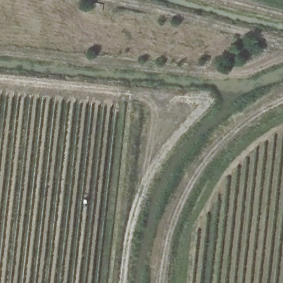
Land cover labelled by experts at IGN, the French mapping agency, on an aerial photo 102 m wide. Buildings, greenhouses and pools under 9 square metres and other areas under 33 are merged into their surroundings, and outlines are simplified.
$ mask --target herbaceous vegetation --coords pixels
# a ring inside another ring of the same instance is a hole
[[[248,77],[283,62],[283,0],[102,0],[105,2],[104,9],[97,10],[97,0],[0,0],[0,82],[114,96],[120,95],[119,86],[31,77],[35,71],[42,69],[88,75],[107,73],[127,78],[145,78],[149,72],[158,73],[161,80],[188,84],[203,84],[207,78],[211,81],[222,81],[230,78],[233,82],[238,82],[239,78]],[[241,34],[245,33],[263,49],[260,55],[251,57],[248,51],[244,50]]]
[[[120,220],[124,220],[124,223],[118,229],[114,264],[114,268],[120,271],[125,231],[136,188],[161,147],[198,107],[196,103],[172,103],[170,99],[175,96],[163,90],[143,90],[138,87],[130,91],[133,109],[130,112],[120,209]]]

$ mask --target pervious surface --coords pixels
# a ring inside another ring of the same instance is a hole
[[[242,112],[232,113],[211,130],[209,143],[185,169],[185,175],[174,193],[176,198],[170,199],[159,222],[153,256],[150,259],[150,283],[167,283],[172,235],[190,192],[203,170],[221,149],[227,149],[229,141],[240,130],[258,125],[264,113],[283,104],[283,82],[270,87],[269,93],[243,108]]]
[[[161,147],[136,188],[125,231],[120,271],[119,283],[133,283],[135,262],[129,260],[129,255],[140,210],[151,180],[157,171],[161,170],[161,165],[166,159],[180,136],[187,132],[193,123],[198,122],[213,104],[214,99],[209,92],[200,91],[175,96],[170,99],[172,103],[196,103],[198,107]]]

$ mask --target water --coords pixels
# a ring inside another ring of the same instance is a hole
[[[159,197],[182,157],[201,136],[205,136],[211,130],[232,113],[233,103],[239,98],[270,87],[283,82],[283,71],[252,83],[238,82],[233,82],[230,78],[222,81],[211,81],[207,78],[203,84],[188,84],[161,80],[158,73],[149,72],[145,78],[127,78],[107,73],[88,75],[42,69],[35,71],[31,77],[119,86],[124,86],[130,91],[138,87],[143,90],[163,90],[175,96],[200,91],[209,92],[212,90],[217,94],[220,104],[218,113],[205,124],[201,124],[185,145],[168,160],[157,186],[151,193],[147,211],[144,228],[140,232],[135,262],[133,283],[140,283],[140,273],[146,260],[149,235],[153,228]]]

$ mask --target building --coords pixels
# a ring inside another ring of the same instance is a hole
[[[97,10],[104,9],[105,2],[102,0],[97,0]]]

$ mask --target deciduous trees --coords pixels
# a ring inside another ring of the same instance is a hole
[[[140,283],[150,283],[150,259],[153,256],[159,222],[170,199],[176,198],[174,193],[185,175],[185,169],[209,143],[211,130],[205,136],[201,136],[182,157],[159,197],[153,228],[149,235],[146,260],[140,273]]]
[[[129,260],[135,262],[140,232],[144,228],[147,211],[140,210],[129,255]]]
[[[248,77],[239,78],[238,82],[252,83],[283,71],[283,62]]]
[[[251,57],[260,55],[263,49],[245,33],[241,34],[244,50],[248,51]]]
[[[233,103],[232,113],[242,112],[243,108],[269,93],[270,87],[239,98]]]
[[[220,104],[217,94],[212,90],[209,92],[214,99],[213,104],[198,122],[193,123],[187,132],[180,136],[166,159],[168,160],[185,145],[201,124],[205,124],[218,113]]]

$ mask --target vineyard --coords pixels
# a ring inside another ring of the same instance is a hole
[[[140,210],[147,211],[151,193],[157,186],[168,160],[166,159],[161,165],[161,170],[157,171],[151,180]]]
[[[120,95],[114,96],[0,82],[0,283],[119,283],[120,271],[114,268],[114,264],[118,229],[124,223],[124,220],[120,220],[120,209],[130,112],[133,109],[130,91],[124,86],[119,86]]]
[[[172,235],[167,283],[283,283],[283,104],[264,113],[258,125],[240,130],[229,141],[227,149],[221,149],[203,170],[190,192]]]

